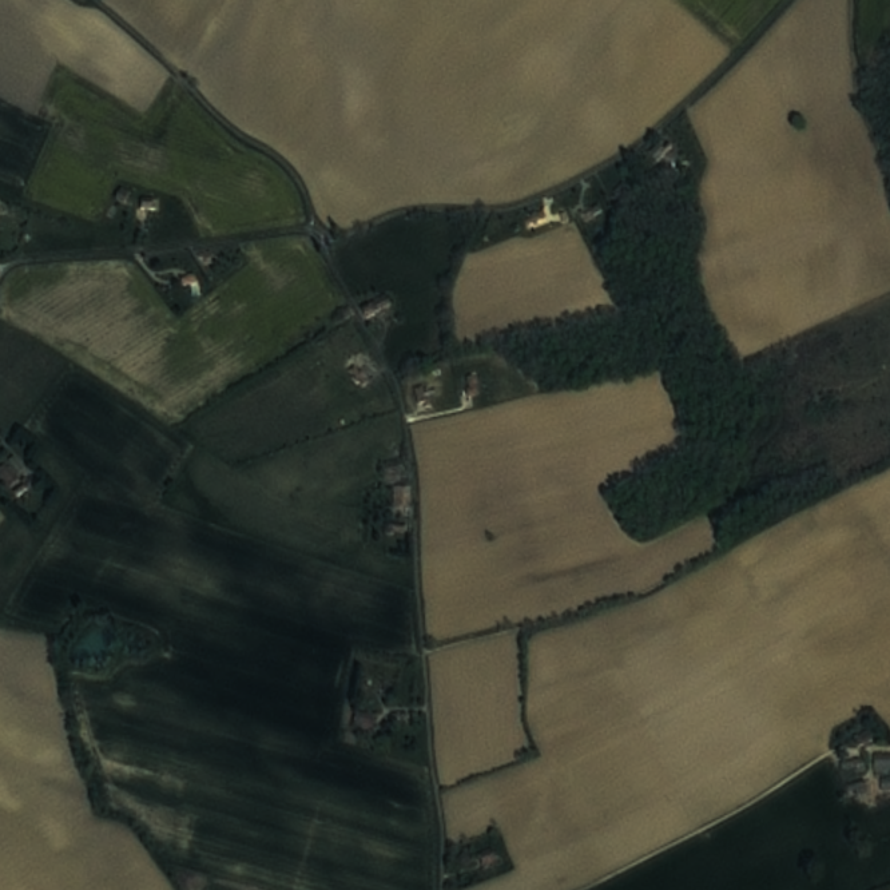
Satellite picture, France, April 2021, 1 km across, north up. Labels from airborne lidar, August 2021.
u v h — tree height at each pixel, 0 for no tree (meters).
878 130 8
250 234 0
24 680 0
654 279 12
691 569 12
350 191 0
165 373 0
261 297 0
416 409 0
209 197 0
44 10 0
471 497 0
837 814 0
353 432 0
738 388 23
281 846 0
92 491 0
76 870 0
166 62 0
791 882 0
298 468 0
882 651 0
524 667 11
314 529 0
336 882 0
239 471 0
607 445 0
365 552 0
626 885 0
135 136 0
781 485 23
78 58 0
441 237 0
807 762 0
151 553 0
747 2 0
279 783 0
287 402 0
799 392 7
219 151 0
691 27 0
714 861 0
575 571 0
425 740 0
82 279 0
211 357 0
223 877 0
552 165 0
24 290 0
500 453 0
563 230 0
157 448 0
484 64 0
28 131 0
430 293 0
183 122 0
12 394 0
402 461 8
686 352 25
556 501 0
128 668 0
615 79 0
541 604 0
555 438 0
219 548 0
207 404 6
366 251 0
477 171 0
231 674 0
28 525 11
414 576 0
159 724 0
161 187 0
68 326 0
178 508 0
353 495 0
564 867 0
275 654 0
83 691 0
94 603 0
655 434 0
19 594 0
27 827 0
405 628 0
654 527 20
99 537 0
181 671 0
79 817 0
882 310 0
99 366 0
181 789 0
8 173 0
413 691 11
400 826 0
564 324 15
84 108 0
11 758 0
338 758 0
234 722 0
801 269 0
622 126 0
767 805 0
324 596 0
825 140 0
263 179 0
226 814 0
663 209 20
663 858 0
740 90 0
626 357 23
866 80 14
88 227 0
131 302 0
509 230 0
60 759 0
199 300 0
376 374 0
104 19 0
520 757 12
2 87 0
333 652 0
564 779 0
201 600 0
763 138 0
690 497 21
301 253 0
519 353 11
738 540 9
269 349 0
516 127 0
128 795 0
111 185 0
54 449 0
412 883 0
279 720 0
